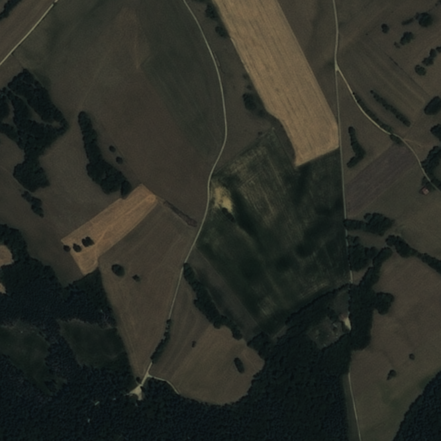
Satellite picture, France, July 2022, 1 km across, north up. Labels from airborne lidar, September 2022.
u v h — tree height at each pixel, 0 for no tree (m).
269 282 0
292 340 19
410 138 0
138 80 0
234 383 0
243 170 0
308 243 0
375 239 0
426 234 0
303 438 17
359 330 13
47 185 11
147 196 0
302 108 0
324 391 18
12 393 21
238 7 0
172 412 25
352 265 11
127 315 0
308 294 0
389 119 0
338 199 0
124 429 13
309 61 0
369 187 0
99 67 0
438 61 0
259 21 0
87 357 0
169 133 0
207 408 18
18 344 0
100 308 9
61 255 0
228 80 0
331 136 0
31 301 23
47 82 0
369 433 0
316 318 12
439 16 0
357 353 0
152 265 0
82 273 0
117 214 0
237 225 0
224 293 0
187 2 0
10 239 20
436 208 0
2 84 0
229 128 0
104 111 0
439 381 19
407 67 0
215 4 0
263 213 0
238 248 0
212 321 14
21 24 0
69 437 21
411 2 0
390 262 0
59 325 22
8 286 18
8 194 0
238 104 0
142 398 0
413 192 0
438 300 0
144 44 0
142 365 0
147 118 0
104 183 15
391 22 0
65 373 25
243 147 0
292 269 0
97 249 0
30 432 27
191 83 0
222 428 17
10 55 0
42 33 0
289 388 14
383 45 0
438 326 0
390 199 0
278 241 0
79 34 0
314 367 16
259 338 13
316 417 18
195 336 0
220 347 0
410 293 0
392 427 0
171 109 0
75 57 0
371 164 0
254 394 16
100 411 22
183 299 0
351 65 0
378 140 0
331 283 0
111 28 0
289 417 17
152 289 0
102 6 0
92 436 24
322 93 0
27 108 18
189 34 0
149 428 14
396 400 0
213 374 0
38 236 0
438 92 0
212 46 0
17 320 21
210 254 0
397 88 0
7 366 22
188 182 0
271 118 0
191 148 0
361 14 0
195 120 0
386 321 0
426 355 0
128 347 0
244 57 0
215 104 0
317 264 0
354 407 0
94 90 0
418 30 0
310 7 0
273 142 0
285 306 0
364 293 16
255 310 0
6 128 18
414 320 0
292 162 0
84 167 0
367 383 0
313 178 0
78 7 0
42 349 0
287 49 0
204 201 0
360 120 0
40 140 19
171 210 0
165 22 0
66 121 16
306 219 0
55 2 8
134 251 0
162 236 0
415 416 13
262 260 0
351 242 7
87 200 0
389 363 0
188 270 14
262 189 0
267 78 0
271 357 8
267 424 16
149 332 0
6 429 21
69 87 0
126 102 0
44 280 22
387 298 20
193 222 0
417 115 0
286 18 0
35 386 15
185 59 0
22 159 0
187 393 0
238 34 0
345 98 0
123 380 18
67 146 0
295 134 0
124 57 0
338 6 0
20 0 14
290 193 0
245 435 21
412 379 0
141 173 0
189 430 27
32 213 0
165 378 0
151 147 0
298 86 0
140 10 0
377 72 0
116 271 13
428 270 0
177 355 0
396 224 0
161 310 0
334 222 0
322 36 0
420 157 0
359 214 0
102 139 0
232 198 0
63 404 27
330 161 0
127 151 0
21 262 20
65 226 0
